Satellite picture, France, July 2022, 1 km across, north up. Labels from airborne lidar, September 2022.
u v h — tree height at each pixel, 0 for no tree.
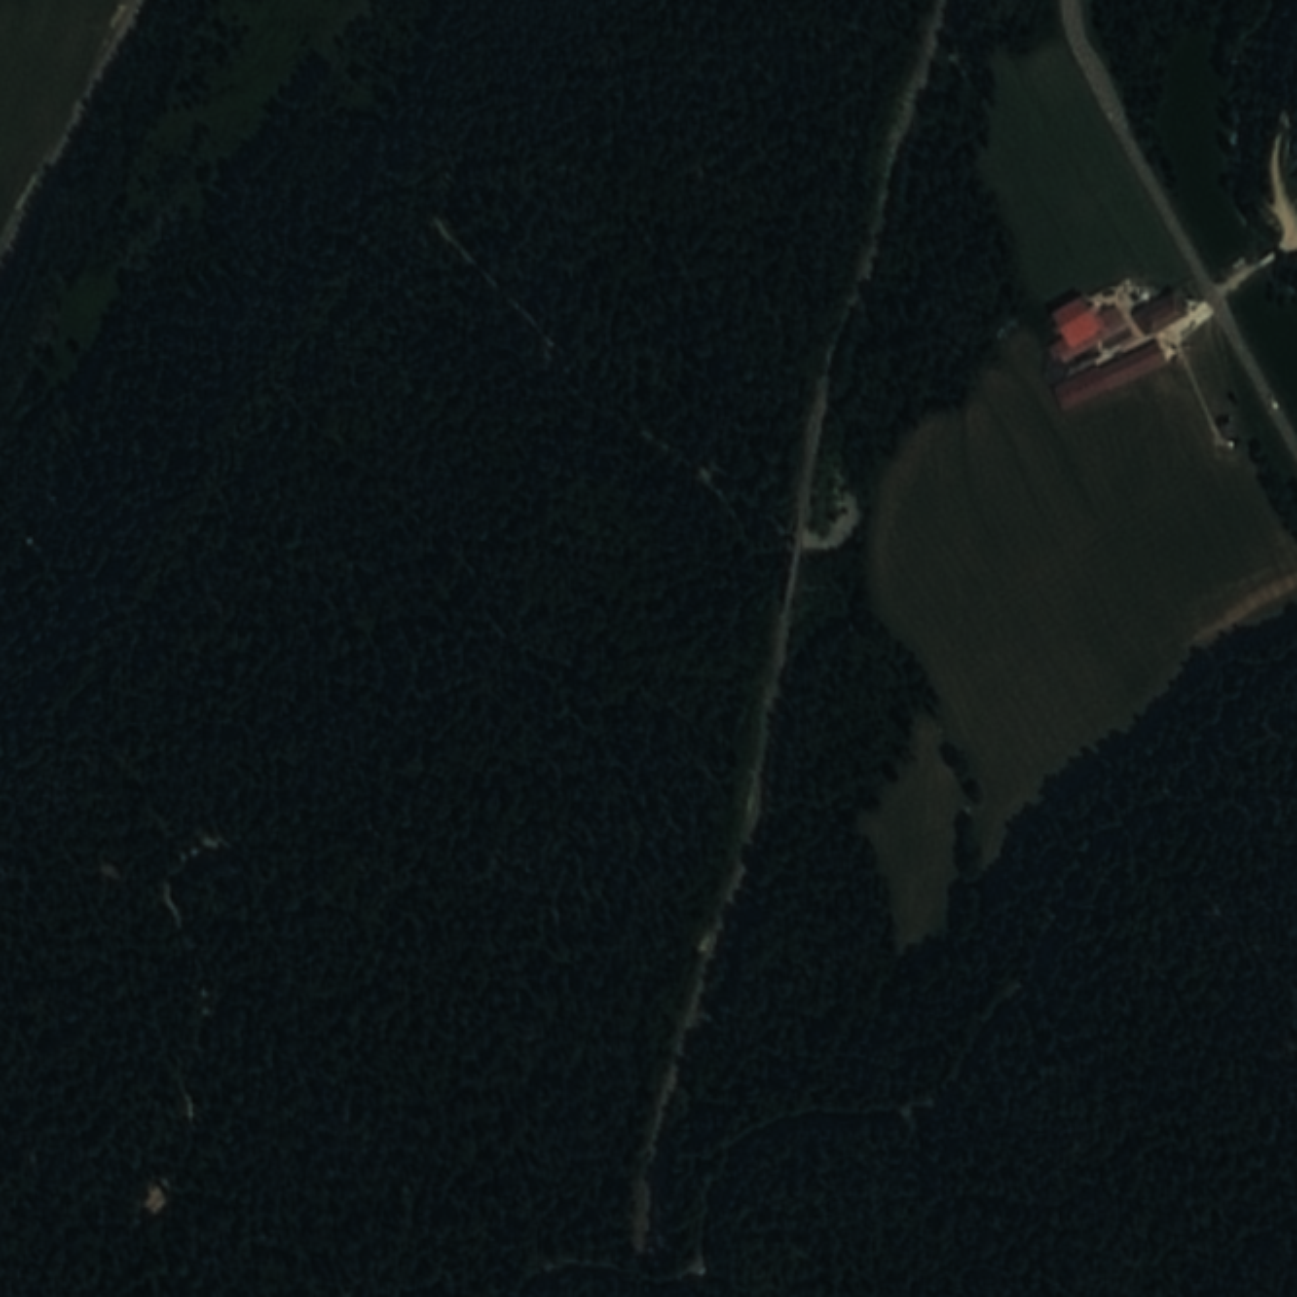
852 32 23
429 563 26
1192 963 26
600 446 22
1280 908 30
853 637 28
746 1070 24
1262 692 24
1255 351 0
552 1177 34
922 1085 13
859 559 11
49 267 27
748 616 18
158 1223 15
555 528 23
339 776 22
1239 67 22
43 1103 18
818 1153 27
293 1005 16
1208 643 0
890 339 31
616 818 22
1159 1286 13
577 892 29
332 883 26
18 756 17
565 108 21
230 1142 24
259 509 13
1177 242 0
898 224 17
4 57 0
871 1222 21
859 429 29
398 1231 19
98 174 29
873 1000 24
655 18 18
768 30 22
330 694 9
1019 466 0
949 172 24
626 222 20
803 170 11
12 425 23
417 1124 24
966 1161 18
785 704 12
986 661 0
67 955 26
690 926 14
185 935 14
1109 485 0
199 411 11
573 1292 11
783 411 22
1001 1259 35
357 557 23
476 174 21
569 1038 26
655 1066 9
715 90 22
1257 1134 18
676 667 14
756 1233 18
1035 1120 13
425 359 20
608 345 21
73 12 0
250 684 17
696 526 32
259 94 0
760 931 25
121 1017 9
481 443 24
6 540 33
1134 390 0
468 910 12
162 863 23
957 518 0
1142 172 0
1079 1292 24
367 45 7
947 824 0
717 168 17
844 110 13
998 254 12
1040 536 0
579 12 22
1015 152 0
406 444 12
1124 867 27
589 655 26
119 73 23
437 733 24
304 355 12
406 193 15
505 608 16
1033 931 36
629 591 25
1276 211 0
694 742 21
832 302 8
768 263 27
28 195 0
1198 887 21
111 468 35
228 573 22
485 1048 32
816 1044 34
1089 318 0
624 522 23
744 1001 21
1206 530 0
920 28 13
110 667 21
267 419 16
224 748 22
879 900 28
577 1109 37
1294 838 11
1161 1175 17
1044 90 0
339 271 22
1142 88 14
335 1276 10
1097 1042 19
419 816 12
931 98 25
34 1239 28
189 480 23
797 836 29
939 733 0
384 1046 14
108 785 20
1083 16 0
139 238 21
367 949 17
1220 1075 27
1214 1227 25
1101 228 0
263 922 21
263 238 28
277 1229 30
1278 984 27
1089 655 0
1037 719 0
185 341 24
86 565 35
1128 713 0
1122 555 0
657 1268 20
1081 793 31
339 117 19
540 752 35
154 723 14
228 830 22
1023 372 0
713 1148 20
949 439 0
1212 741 25
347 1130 16
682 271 27
